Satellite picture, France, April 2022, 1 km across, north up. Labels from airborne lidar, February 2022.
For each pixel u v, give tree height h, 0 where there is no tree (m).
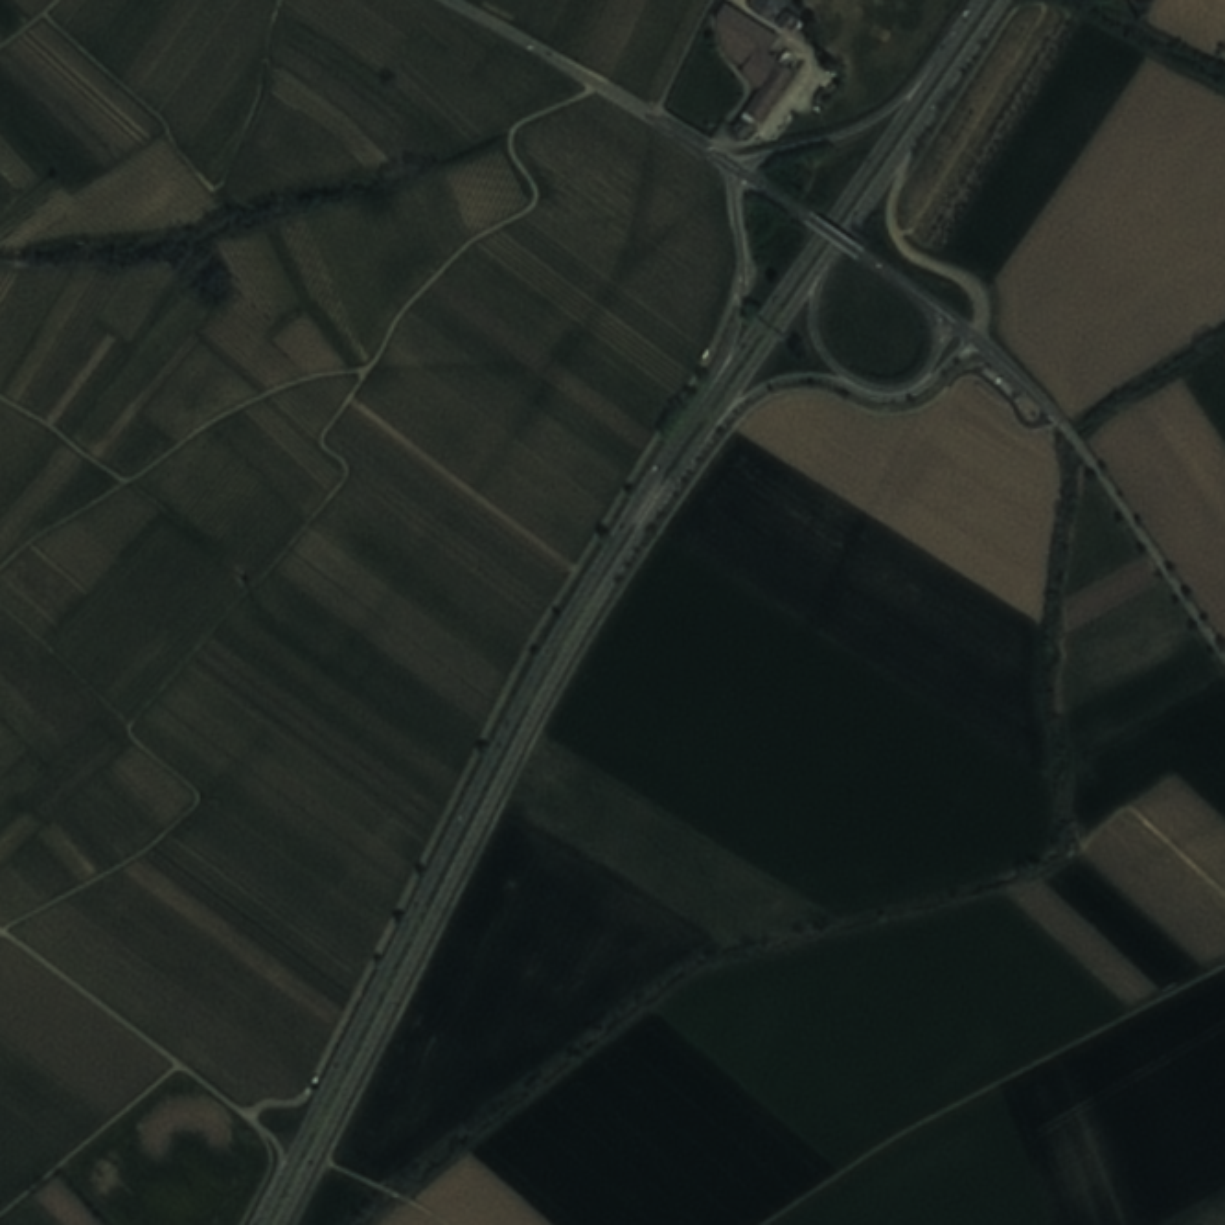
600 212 0
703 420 0
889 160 0
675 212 0
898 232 0
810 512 0
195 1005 0
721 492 0
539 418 0
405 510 0
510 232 0
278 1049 0
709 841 0
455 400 0
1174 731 0
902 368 0
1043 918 0
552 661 0
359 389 0
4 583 0
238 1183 0
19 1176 0
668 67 0
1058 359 0
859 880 0
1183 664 0
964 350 0
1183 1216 0
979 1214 0
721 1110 0
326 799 0
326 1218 0
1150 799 0
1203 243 0
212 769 0
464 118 0
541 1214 0
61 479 0
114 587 0
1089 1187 0
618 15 0
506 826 0
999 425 0
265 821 0
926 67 0
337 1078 0
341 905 0
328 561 0
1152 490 0
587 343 0
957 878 0
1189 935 0
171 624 0
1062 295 0
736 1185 0
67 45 0
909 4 0
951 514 0
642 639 0
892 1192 0
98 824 0
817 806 0
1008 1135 0
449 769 0
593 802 0
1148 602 0
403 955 0
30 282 0
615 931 0
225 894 0
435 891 0
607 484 0
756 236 9
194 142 0
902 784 0
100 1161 0
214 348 0
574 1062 10
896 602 0
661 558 0
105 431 0
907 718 0
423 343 0
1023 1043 0
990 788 0
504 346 0
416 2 0
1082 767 0
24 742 0
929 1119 0
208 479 0
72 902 0
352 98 0
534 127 0
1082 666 0
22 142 0
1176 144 0
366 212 0
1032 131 0
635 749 0
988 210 0
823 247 0
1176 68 0
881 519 0
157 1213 0
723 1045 0
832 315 0
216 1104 0
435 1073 0
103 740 0
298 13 0
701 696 0
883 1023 0
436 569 0
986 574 0
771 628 0
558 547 0
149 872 0
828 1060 0
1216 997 0
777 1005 0
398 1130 0
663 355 0
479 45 0
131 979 0
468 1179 0
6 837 0
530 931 0
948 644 0
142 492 0
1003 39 0
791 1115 0
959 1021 0
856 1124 0
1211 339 14
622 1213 0
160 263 12
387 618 0
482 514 0
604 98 0
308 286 0
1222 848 0
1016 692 0
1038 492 0
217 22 0
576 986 0
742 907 0
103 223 0
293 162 0
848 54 0
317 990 0
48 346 0
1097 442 0
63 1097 0
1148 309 0
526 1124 0
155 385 0
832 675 0
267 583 0
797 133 0
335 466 0
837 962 0
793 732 0
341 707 0
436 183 0
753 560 0
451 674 0
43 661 0
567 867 0
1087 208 0
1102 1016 0
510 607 0
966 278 0
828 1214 0
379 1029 0
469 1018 0
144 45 0
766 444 0
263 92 0
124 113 0
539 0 0
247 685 0
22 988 0
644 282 0
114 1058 0
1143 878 0
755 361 0
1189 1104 0
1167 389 0
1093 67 0
